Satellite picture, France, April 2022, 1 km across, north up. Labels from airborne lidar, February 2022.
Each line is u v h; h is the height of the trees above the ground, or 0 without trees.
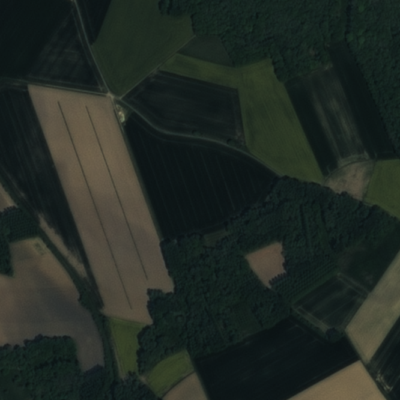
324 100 0
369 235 29
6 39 0
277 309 28
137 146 0
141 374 8
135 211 0
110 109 0
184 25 0
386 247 0
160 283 0
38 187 0
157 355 38
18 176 0
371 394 0
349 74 0
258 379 0
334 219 26
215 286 29
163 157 0
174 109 0
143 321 0
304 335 0
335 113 0
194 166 0
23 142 0
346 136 0
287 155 0
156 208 0
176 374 0
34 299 0
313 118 0
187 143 0
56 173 0
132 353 0
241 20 23
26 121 0
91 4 0
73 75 0
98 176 0
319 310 0
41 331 0
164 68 0
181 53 0
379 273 0
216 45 0
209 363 0
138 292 0
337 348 0
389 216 7
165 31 0
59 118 0
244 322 0
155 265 0
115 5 0
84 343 0
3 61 0
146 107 0
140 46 0
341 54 0
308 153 0
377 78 26
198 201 0
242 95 0
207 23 21
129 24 0
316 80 0
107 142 0
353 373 0
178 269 31
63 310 0
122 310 0
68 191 0
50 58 0
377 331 0
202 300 22
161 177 0
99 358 0
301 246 25
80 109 0
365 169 0
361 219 29
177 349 7
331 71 0
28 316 0
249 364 0
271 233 39
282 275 0
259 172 0
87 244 0
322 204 34
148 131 0
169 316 30
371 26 18
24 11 0
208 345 34
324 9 26
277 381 0
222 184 0
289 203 10
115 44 0
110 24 0
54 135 0
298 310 0
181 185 0
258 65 0
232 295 25
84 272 0
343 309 0
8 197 0
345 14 0
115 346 0
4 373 18
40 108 0
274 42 22
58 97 0
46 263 0
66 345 25
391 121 15
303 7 21
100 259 0
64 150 0
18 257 0
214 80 0
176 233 0
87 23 0
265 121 0
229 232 19
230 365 0
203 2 22
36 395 20
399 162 0
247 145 0
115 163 0
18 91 0
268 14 21
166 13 16
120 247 0
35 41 0
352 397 0
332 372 0
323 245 10
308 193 32
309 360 0
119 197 0
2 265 30
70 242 0
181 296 25
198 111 0
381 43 22
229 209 0
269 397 0
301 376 0
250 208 0
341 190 0
